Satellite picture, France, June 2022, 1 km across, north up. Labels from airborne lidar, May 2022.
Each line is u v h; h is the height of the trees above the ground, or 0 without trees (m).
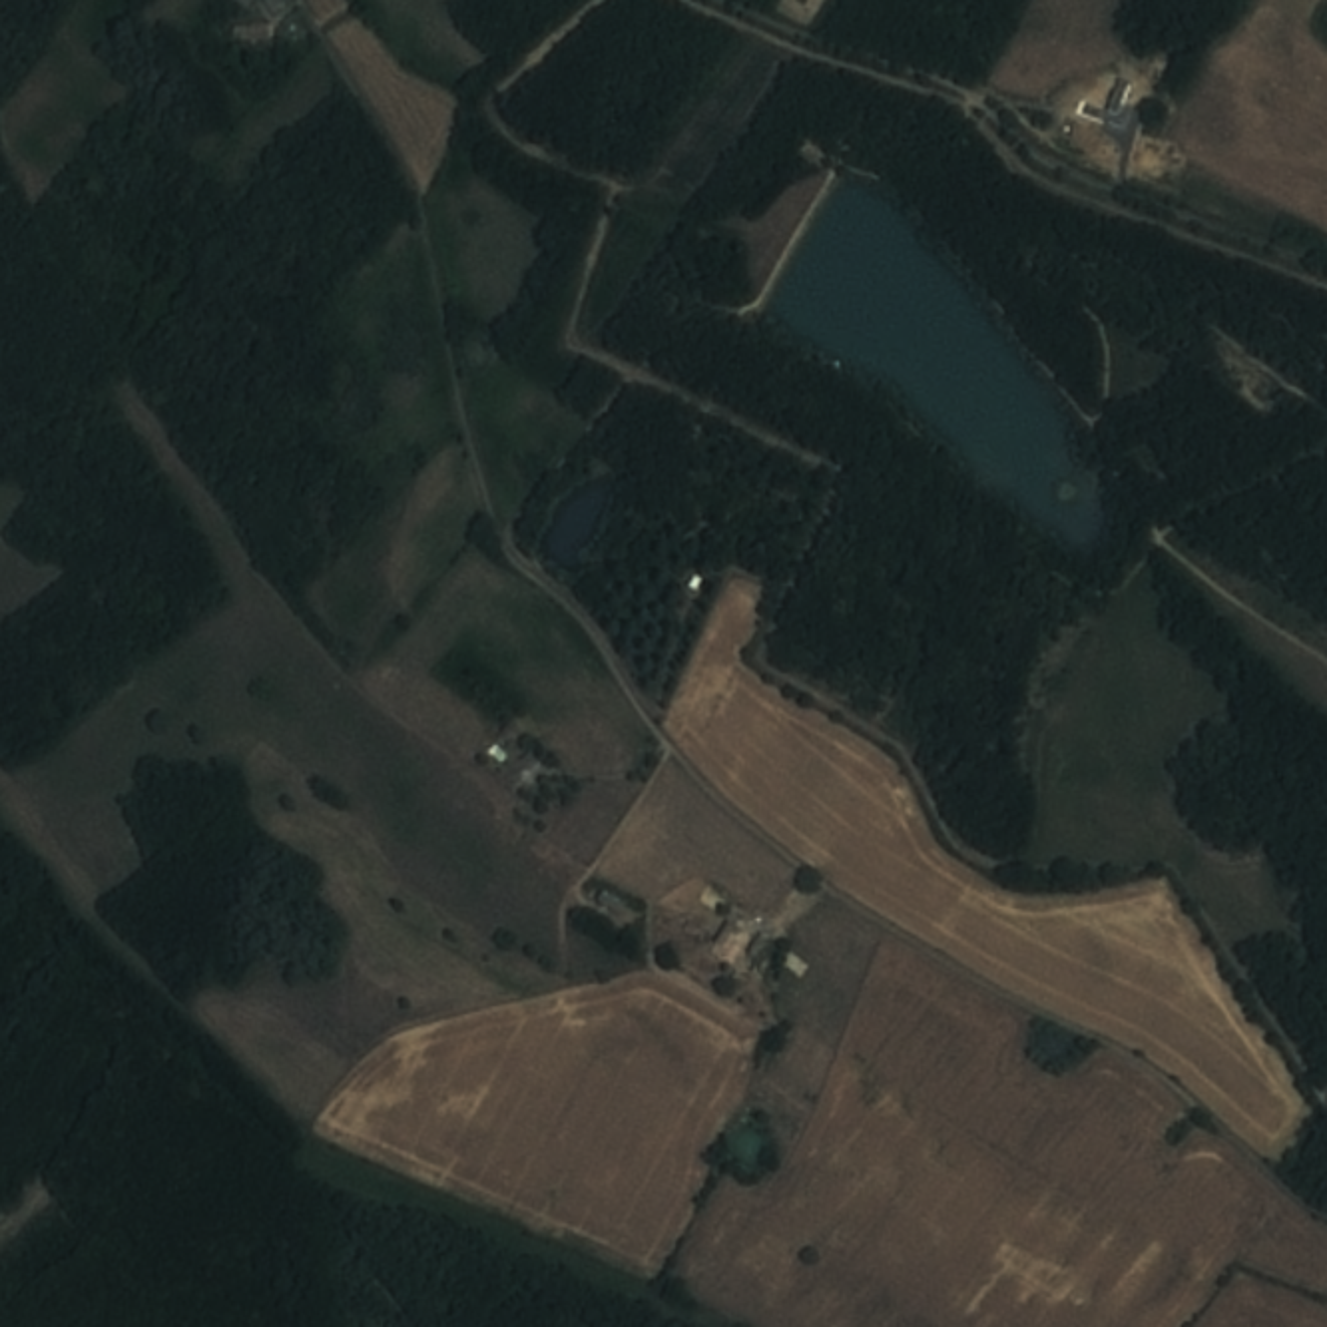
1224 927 0
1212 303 12
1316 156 0
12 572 0
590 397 13
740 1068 0
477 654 0
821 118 16
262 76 9
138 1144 12
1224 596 0
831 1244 0
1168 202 9
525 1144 0
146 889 12
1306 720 18
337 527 10
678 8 15
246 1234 14
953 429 0
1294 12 0
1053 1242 0
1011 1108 0
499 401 0
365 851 0
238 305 14
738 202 18
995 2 17
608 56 14
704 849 0
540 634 0
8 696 12
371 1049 0
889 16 13
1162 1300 0
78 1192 12
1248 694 20
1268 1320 0
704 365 16
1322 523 17
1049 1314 0
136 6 7
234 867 5
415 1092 0
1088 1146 0
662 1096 0
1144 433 17
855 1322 0
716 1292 0
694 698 0
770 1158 11
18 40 11
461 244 0
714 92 0
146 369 15
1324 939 25
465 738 0
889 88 12
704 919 0
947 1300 0
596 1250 0
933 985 0
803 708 12
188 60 8
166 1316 11
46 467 10
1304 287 17
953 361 0
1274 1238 0
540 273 13
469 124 16
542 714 0
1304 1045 18
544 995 0
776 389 18
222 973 9
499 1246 23
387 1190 0
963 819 19
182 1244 8
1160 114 14
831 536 19
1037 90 0
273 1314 13
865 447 20
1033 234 18
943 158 15
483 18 14
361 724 0
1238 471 16
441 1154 0
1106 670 0
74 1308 7
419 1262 20
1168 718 0
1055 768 0
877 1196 0
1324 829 22
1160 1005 0
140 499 12
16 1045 18
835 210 0
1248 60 0
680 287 16
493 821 0
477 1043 0
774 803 0
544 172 11
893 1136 0
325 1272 8
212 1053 18
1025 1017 0
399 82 0
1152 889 0
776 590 17
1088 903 0
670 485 18
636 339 16
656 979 0
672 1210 0
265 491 14
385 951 0
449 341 6
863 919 0
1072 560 14
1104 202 0
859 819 0
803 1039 0
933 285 0
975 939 0
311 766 0
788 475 19
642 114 15
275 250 16
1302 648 0
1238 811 18
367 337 0
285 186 15
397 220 14
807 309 0
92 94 0
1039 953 0
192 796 14
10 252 14
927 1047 0
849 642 17
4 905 21
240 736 0
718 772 0
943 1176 0
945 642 21
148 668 0
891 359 0
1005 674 21
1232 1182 0
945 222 18
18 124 0
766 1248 0
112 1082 12
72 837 0
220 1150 10
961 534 13
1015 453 0
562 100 14
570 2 15
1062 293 12
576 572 6
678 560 22
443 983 0
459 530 0
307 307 12
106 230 7
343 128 15
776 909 0
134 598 9
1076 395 13
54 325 13
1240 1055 0
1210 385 15
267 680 7
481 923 0
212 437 15
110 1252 10
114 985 15
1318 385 16
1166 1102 0
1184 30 13
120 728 0
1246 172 0
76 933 17
